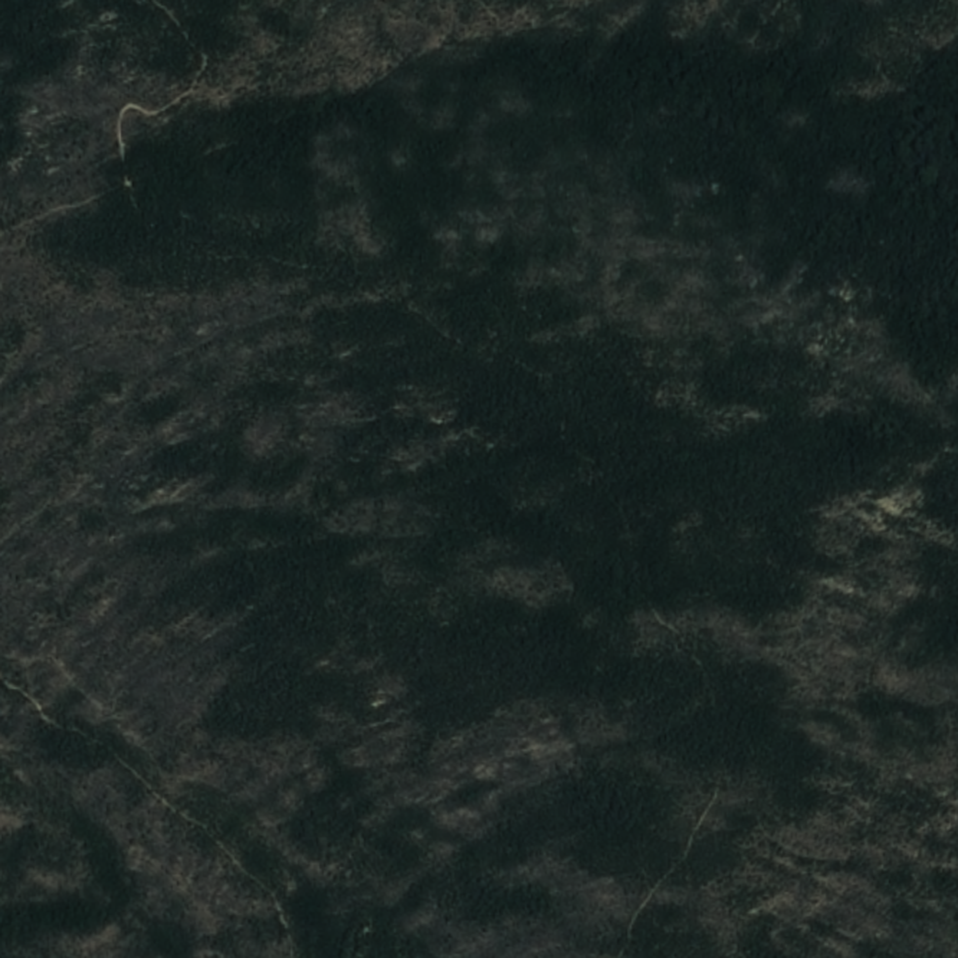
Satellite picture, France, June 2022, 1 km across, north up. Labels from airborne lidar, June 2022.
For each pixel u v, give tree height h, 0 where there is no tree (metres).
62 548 0
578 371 8
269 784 0
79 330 0
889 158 7
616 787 7
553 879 0
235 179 6
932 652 7
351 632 7
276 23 8
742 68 7
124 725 0
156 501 0
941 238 6
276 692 8
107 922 7
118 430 7
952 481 12
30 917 8
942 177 15
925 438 7
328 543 7
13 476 0
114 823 0
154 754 0
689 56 13
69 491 0
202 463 6
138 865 0
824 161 6
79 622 0
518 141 8
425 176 7
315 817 8
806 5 8
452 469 9
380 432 8
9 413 0
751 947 9
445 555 6
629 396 8
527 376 6
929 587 7
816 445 8
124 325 0
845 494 7
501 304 9
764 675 6
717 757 7
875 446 7
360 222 0
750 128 6
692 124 8
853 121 6
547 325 7
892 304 12
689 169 7
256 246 8
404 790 0
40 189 0
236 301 0
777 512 8
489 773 0
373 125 6
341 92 10
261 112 8
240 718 7
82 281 6
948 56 10
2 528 0
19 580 6
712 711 8
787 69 9
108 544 0
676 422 8
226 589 6
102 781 0
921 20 7
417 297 6
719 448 7
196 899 0
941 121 16
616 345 6
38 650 0
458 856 6
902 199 10
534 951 0
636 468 7
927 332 12
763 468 7
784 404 7
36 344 0
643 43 5
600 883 0
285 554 6
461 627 8
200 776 0
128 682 0
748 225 6
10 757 0
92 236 7
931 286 6
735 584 6
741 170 9
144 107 0
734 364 8
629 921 0
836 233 13
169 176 7
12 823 0
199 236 7
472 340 6
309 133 8
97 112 0
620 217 0
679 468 10
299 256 8
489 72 9
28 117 0
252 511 0
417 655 9
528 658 10
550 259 9
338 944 6
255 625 7
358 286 6
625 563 7
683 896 0
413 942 9
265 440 0
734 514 8
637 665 8
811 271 7
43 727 7
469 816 0
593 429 8
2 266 0
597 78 8
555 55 6
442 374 7
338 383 7
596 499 7
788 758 8
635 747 8
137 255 7
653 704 6
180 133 7
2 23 8
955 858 8
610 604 8
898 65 8
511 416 8
